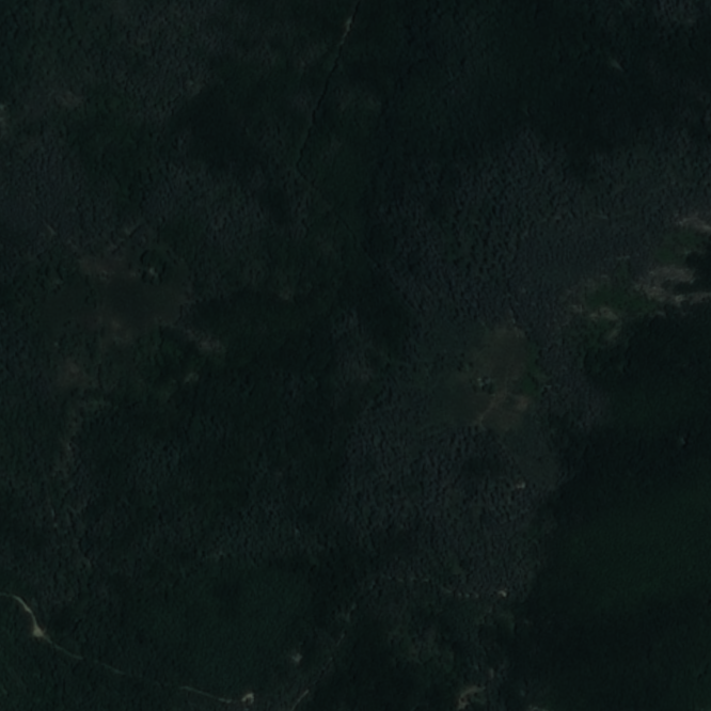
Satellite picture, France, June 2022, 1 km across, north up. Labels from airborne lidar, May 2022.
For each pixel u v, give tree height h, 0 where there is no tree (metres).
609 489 21
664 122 13
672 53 15
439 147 14
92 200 9
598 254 6
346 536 14
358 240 19
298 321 12
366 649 19
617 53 14
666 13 7
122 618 9
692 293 7
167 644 11
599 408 13
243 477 21
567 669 20
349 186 19
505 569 14
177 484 27
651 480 24
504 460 11
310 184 7
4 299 19
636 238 10
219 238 13
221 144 22
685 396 22
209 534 21
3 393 9
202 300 9
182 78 15
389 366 13
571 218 7
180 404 18
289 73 13
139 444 27
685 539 13
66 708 11
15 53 12
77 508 13
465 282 17
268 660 9
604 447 18
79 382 0
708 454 15
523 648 18
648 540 11
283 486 16
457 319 11
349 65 24
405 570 16
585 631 25
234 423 24
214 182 9
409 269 6
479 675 14
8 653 10
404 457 10
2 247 8
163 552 16
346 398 20
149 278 15
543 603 13
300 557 15
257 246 10
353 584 12
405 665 13
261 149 19
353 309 17
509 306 12
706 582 16
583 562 14
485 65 16
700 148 11
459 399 0
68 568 14
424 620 13
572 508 16
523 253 8
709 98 9
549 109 20
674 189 8
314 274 14
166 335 17
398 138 22
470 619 12
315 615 10
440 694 17
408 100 25
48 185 14
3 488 7
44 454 15
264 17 16
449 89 25
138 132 11
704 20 10
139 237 12
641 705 23
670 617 30
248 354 15
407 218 12
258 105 24
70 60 6
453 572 15
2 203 10
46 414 6
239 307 12
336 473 11
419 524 12
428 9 11
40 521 8
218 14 13
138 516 19
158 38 6
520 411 0
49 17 8
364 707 21
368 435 13
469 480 9
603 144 19
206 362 12
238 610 14
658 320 18
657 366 23
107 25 6
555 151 7
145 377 7
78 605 8
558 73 25
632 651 27
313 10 20
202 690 9
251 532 24
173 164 15
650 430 19
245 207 9
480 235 8
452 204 14
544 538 9
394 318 22
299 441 18
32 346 10
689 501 9
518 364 0
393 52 24
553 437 10
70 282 8
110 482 19
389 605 18
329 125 22
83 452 9
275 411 18
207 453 21
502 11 18
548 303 9
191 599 11
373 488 10
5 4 12
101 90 7
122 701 11
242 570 10
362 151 23
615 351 15
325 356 17
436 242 20
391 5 28
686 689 21
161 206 18
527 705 8
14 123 7
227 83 19
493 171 13
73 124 13
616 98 19
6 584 13
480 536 10
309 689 8
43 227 15
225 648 13
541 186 13
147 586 15
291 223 18
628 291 7
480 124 21
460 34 18
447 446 11
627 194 8
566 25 22
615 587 16
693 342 25
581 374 12
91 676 14
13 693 8
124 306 0
